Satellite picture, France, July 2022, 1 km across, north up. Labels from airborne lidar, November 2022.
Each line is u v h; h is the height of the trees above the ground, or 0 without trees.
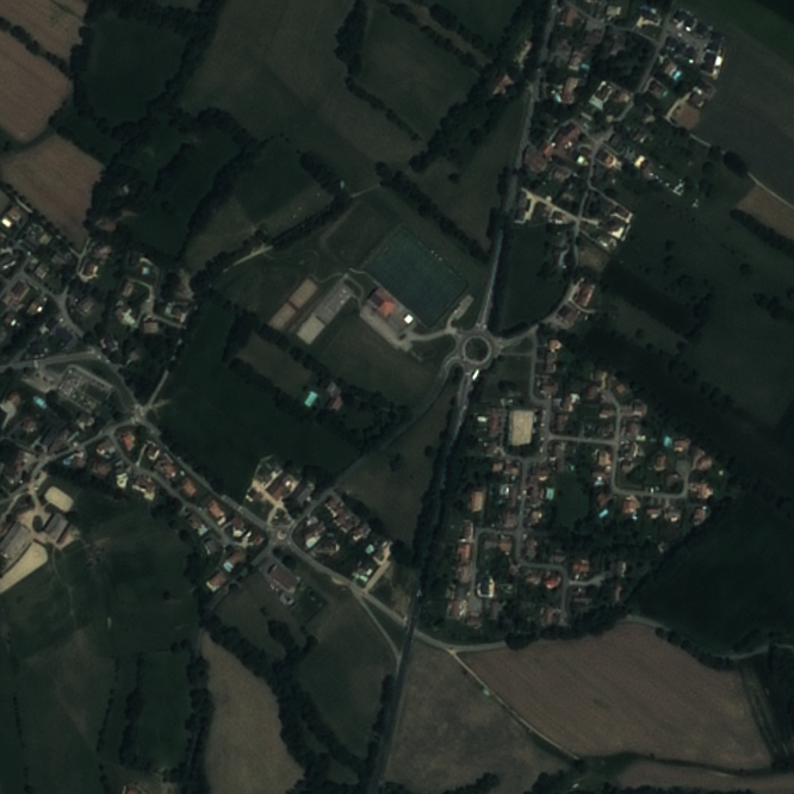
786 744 0
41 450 12
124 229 11
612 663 0
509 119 0
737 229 0
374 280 0
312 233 11
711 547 0
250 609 0
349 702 0
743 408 0
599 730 0
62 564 0
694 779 0
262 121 0
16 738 0
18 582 0
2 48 0
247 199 0
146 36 0
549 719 0
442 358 0
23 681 0
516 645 20
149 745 0
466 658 0
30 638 0
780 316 16
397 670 0
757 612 0
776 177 0
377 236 0
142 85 0
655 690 0
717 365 0
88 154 11
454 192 0
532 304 0
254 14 0
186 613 0
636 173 17
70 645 0
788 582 0
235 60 0
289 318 0
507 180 15
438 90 0
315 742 0
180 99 19
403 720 0
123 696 0
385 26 0
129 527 0
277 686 19
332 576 0
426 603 13
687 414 0
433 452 15
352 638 0
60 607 0
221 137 0
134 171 17
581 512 0
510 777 0
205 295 17
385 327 0
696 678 0
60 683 0
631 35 11
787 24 0
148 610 0
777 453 0
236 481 0
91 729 0
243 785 0
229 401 0
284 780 0
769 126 0
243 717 0
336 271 0
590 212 6
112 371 0
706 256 0
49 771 0
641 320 0
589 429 6
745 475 26
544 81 8
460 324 0
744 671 0
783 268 0
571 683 0
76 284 15
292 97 0
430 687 0
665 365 0
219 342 0
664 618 0
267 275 0
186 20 22
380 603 0
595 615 18
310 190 0
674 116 0
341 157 0
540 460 0
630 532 13
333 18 0
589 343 0
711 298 14
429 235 0
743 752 0
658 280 0
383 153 0
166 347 8
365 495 0
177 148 0
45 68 0
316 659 0
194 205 0
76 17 0
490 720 0
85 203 0
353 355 0
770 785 0
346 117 0
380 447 17
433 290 0
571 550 14
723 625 0
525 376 0
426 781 0
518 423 0
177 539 0
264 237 10
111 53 0
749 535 0
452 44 13
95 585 0
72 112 0
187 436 0
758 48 0
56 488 0
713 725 0
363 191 0
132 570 0
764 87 0
